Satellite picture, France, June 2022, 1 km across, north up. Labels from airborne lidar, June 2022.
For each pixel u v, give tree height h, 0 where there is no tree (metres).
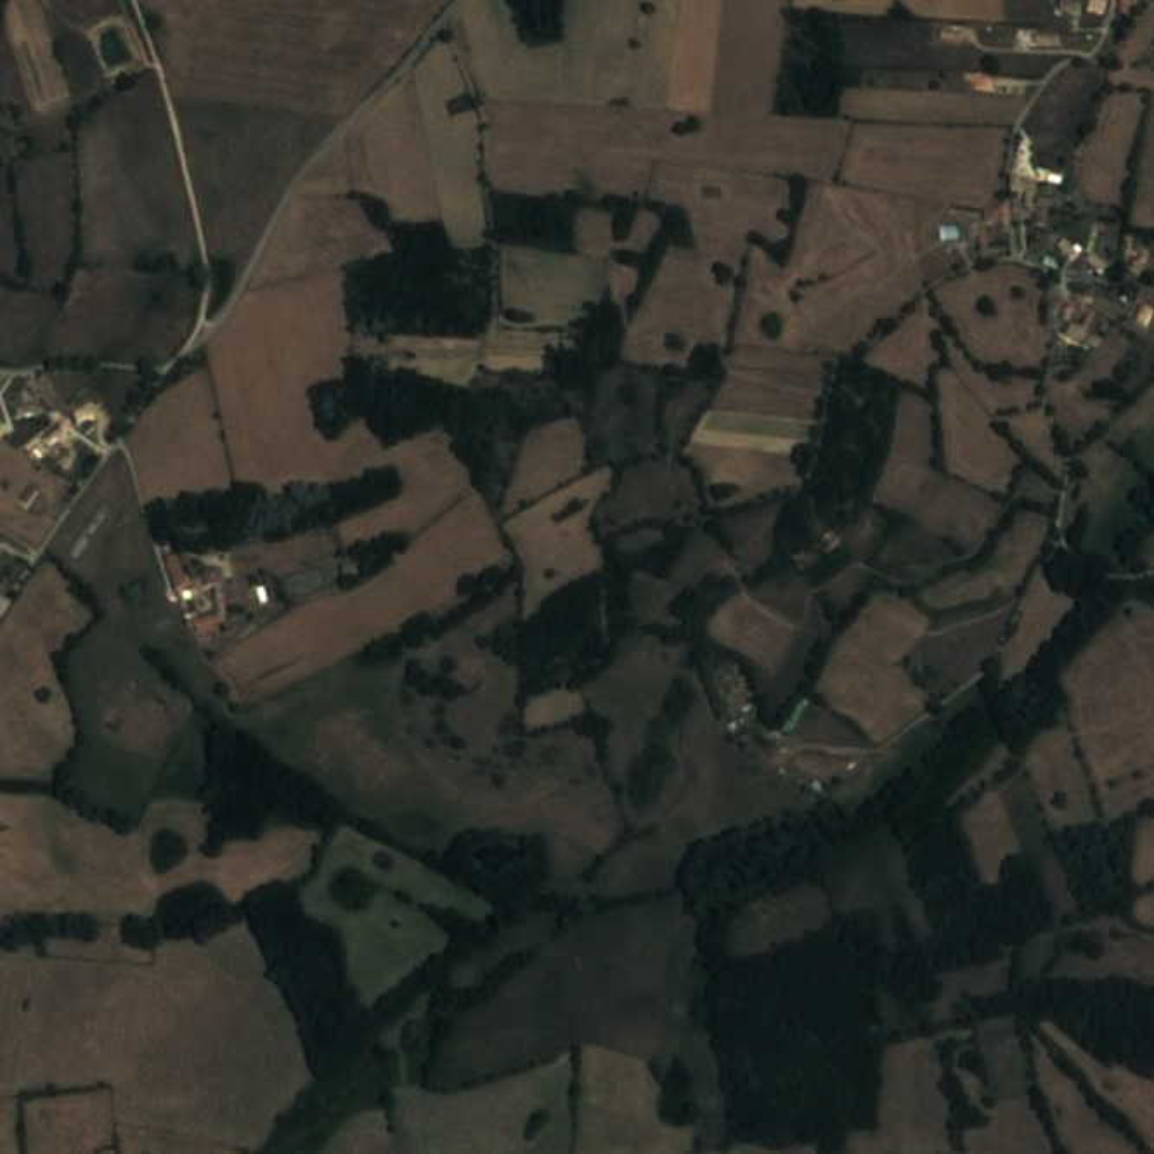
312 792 31
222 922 29
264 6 0
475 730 0
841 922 11
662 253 13
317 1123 0
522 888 19
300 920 30
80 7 0
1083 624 26
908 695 0
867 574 0
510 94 0
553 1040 0
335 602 0
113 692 0
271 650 0
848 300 0
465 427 6
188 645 0
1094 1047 13
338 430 14
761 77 0
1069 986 10
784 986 8
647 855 0
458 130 0
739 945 0
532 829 0
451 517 0
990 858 0
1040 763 0
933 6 0
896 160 0
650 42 0
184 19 0
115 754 0
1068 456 10
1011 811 0
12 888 0
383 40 0
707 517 9
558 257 0
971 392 0
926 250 0
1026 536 0
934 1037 11
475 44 0
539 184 0
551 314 0
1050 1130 13
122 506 0
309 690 0
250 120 0
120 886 0
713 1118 0
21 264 10
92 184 0
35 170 0
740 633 0
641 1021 0
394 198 0
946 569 8
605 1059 0
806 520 7
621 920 0
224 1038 0
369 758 0
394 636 7
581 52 0
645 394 0
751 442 0
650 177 0
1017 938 14
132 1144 0
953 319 8
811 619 0
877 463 10
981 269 9
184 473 0
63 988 0
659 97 0
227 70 0
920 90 0
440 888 0
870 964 14
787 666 0
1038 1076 9
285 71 0
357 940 0
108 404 0
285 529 15
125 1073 0
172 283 0
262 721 0
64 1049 0
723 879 31
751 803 0
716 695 12
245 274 0
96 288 0
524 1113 0
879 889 0
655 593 0
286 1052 0
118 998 0
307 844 0
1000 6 0
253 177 0
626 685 0
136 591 15
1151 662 0
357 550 12
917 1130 0
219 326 0
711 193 0
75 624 0
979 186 0
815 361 0
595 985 0
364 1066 0
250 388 0
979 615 0
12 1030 0
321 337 0
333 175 0
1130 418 0
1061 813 0
